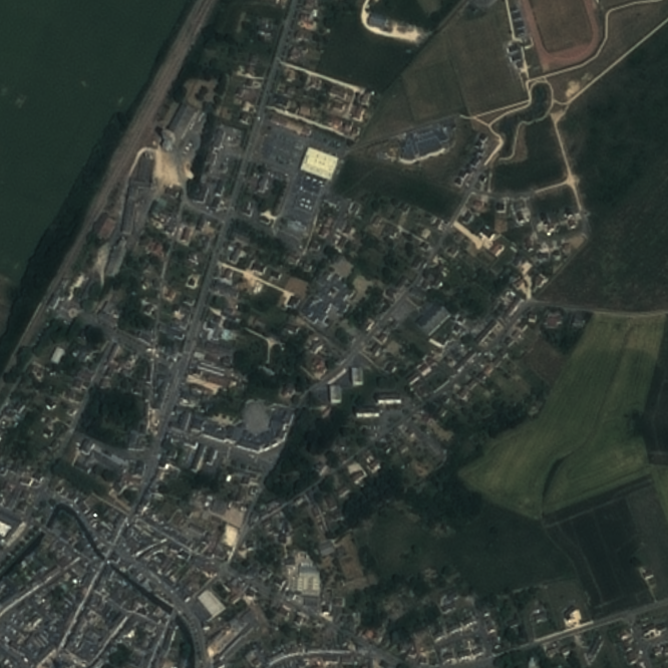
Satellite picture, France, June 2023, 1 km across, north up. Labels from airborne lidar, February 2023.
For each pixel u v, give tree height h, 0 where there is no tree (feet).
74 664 0
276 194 29
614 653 0
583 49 0
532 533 0
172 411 0
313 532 19
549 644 0
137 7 0
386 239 25
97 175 21
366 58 0
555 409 0
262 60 0
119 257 0
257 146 0
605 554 0
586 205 0
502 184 0
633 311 0
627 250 0
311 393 22
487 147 0
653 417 0
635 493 0
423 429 21
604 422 0
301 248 0
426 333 0
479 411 24
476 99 0
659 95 0
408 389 23
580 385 0
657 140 0
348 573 0
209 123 38
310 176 0
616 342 0
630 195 0
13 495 0
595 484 0
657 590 0
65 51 0
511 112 0
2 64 0
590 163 0
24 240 0
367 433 49
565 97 0
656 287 0
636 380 0
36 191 0
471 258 0
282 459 35
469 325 0
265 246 24
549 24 0
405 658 18
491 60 0
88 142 0
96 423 45
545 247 0
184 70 24
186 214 23
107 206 0
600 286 0
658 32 0
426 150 0
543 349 0
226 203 0
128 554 0
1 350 41
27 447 23
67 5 0
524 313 0
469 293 27
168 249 34
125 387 34
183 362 0
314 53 0
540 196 0
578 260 0
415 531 0
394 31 0
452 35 0
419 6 0
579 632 0
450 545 0
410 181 0
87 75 0
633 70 0
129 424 45
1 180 0
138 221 0
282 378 46
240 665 0
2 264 0
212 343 0
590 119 0
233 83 0
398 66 0
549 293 0
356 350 0
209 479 55
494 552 0
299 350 22
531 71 0
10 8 0
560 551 0
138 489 0
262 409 0
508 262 0
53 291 0
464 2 0
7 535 0
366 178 0
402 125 0
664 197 0
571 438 0
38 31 0
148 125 0
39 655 0
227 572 0
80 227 22
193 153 0
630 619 0
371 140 0
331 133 24
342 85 0
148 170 0
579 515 0
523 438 0
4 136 0
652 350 0
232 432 0
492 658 0
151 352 0
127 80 0
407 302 0
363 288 0
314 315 0
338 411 47
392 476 71
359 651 0
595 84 0
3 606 0
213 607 0
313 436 73
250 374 19
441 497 33
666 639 0
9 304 0
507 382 0
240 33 0
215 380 0
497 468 0
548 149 0
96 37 0
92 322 0
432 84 0
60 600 25
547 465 0
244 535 0
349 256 20
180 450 17
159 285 31
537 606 0
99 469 47
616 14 0
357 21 0
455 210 0
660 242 0
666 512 0
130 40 0
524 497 0
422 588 30
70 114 0
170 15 0
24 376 38
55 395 28
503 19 0
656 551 0
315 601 0
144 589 0
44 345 70
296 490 29
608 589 0
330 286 0
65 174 0
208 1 0
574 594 0
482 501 27
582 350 0
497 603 37
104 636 0
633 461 0
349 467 0
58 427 31
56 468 56
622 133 0
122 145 0
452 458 44
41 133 0
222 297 23
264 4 0
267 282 0
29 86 0
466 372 0
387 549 0
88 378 0
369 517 62
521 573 0
